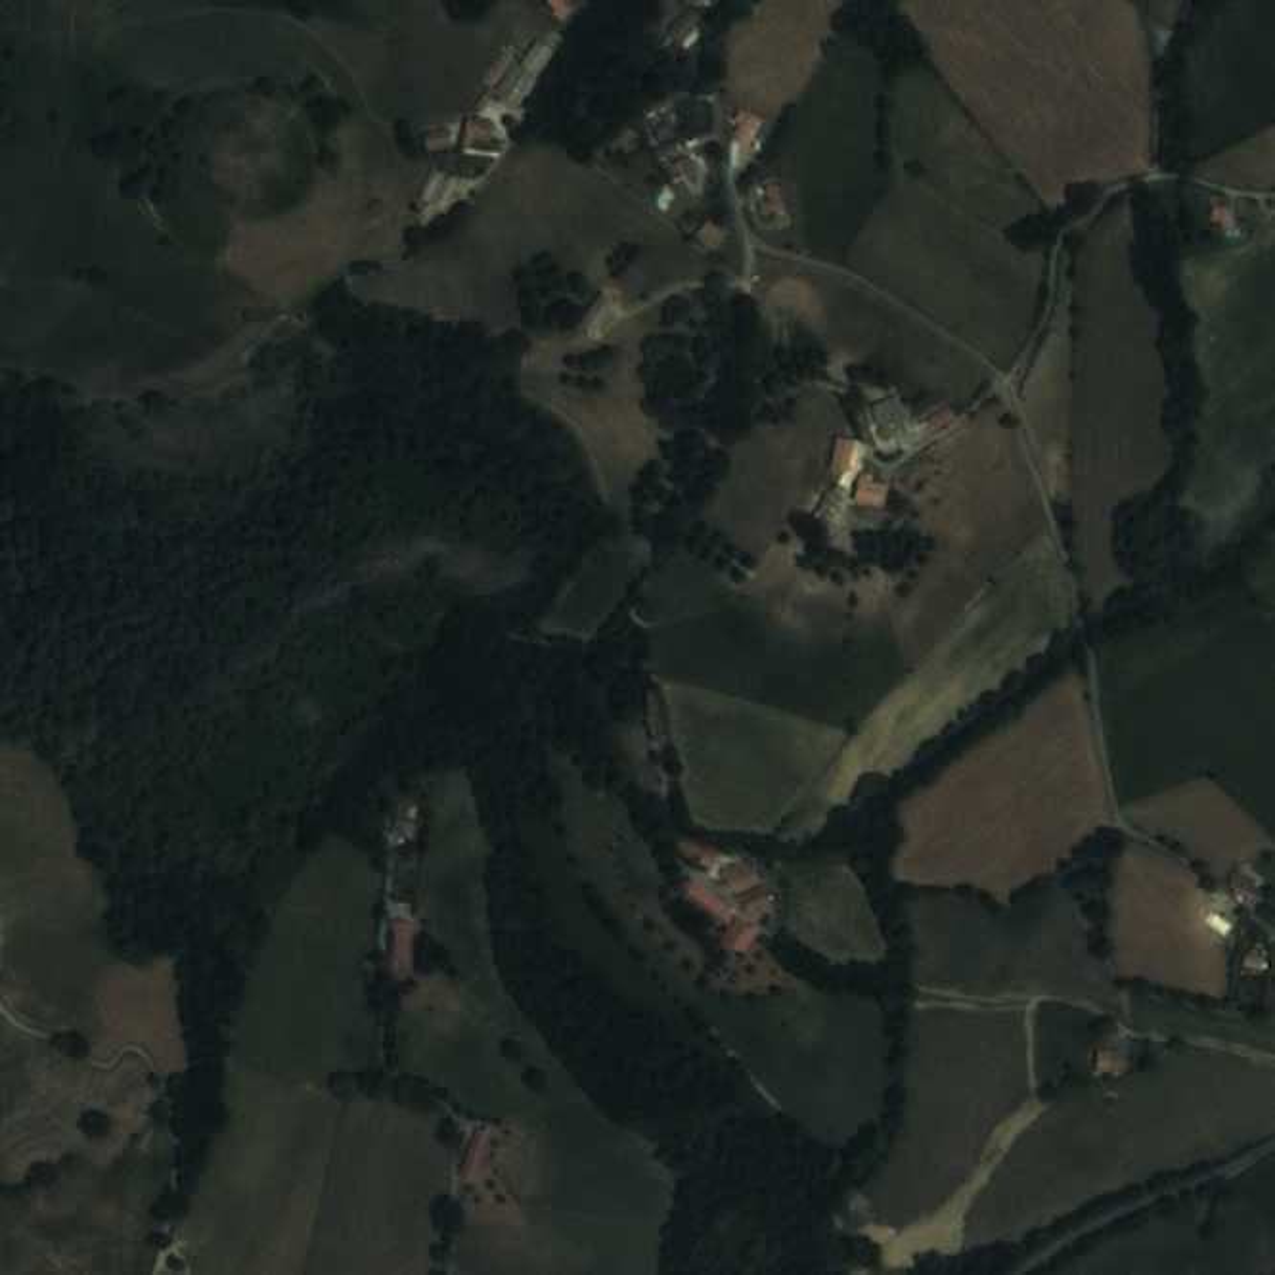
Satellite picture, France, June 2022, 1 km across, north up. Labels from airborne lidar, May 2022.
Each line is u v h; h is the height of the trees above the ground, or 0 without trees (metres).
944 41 0
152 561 12
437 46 0
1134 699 0
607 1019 24
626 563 0
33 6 0
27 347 0
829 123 0
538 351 0
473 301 0
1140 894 0
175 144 9
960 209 0
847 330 0
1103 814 0
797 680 0
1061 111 0
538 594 18
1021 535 0
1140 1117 0
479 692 24
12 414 12
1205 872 11
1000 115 0
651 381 13
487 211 0
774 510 0
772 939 9
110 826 9
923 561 14
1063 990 0
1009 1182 0
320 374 15
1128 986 12
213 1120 15
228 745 8
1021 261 0
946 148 0
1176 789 0
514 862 19
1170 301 20
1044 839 0
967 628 0
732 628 0
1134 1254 0
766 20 0
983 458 0
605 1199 0
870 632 0
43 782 0
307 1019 0
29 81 0
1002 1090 0
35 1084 0
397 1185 0
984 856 0
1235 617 0
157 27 0
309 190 0
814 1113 0
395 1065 13
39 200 0
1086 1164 0
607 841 0
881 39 16
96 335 0
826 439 0
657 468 15
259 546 17
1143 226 10
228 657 11
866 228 0
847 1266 21
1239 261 0
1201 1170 13
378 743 13
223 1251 0
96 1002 0
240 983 22
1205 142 0
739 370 24
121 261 0
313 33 0
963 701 0
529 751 19
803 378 14
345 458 11
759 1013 0
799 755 0
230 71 0
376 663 0
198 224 0
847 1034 0
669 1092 14
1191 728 0
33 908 0
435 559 9
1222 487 0
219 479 9
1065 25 0
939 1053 0
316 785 9
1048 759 0
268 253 0
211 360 0
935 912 0
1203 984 0
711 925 12
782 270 0
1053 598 0
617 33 19
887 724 0
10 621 14
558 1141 0
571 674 18
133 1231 0
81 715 11
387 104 0
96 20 0
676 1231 16
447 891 0
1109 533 0
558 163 0
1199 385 20
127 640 13
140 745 8
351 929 0
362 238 0
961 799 0
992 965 0
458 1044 0
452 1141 17
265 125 0
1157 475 0
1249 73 0
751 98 0
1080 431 0
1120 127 0
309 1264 0
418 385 11
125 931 14
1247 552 24
